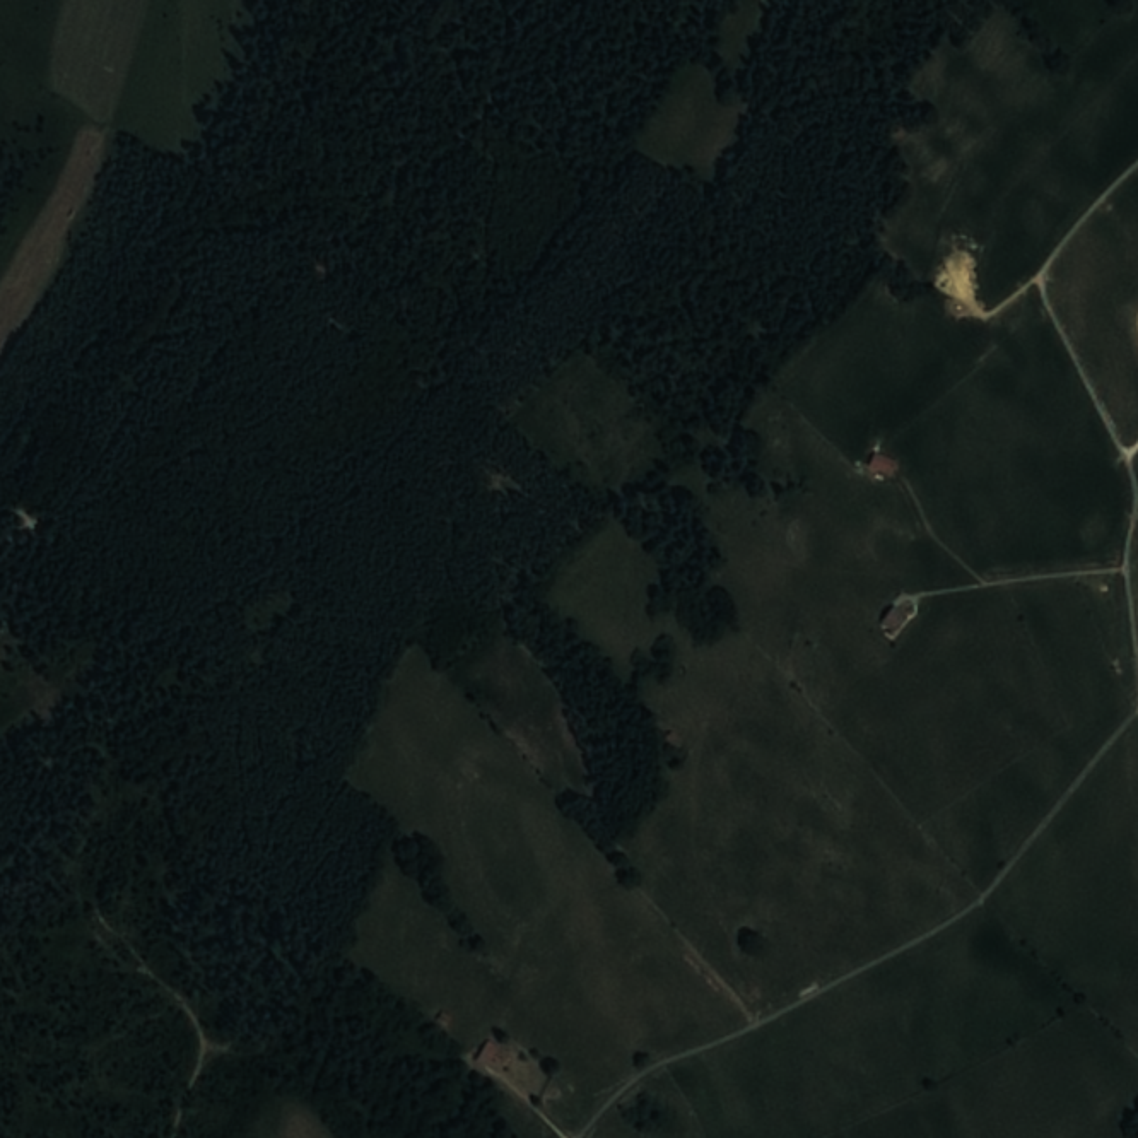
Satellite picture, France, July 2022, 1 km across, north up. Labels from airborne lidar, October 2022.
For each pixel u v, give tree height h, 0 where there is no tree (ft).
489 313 62
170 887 50
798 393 0
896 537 0
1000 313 0
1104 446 0
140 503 73
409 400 79
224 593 90
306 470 70
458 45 47
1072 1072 0
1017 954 0
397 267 48
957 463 0
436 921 0
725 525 0
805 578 0
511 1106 0
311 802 79
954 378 0
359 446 69
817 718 0
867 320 0
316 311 80
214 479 74
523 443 50
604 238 93
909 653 0
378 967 0
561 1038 0
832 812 0
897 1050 0
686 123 0
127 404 84
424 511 85
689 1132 0
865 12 75
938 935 0
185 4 0
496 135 40
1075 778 0
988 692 0
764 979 0
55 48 0
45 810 69
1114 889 0
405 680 0
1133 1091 0
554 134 74
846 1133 0
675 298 43
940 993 0
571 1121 0
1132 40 0
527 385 70
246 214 35
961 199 0
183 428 81
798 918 0
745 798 0
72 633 78
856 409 0
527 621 34
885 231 28
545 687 0
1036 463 0
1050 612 0
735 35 0
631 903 0
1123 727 0
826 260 75
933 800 0
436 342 75
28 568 66
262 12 104
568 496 76
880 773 0
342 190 55
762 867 0
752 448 91
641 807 23
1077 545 0
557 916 0
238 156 67
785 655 0
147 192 43
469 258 58
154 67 0
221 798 81
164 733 47
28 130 24
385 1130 51
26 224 0
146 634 79
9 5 0
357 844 73
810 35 39
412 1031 35
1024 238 0
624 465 0
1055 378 0
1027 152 0
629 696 50
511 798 0
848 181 81
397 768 0
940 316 0
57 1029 20
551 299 88
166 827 44
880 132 85
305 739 76
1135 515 0
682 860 0
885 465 0
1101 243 0
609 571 0
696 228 69
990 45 0
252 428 65
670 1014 0
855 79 82
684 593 25
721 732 0
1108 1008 0
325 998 66
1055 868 0
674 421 39
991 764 0
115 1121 25
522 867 0
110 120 0
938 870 0
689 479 0
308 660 82
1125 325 0
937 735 0
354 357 65
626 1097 0
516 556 73
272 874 76
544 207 34
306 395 74
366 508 82
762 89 58
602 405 0
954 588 0
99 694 56
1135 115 0
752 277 74
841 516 0
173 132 0
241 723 69
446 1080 47
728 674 0
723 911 0
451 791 0
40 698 0
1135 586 0
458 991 0
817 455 0
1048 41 42
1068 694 0
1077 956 0
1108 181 0
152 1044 38
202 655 67
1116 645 0
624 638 0
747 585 0
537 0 77
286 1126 0
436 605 32
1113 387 0
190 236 72
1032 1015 0
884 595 0
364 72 20
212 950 136
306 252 84
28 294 0
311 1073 55
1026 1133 0
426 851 74
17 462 38
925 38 68
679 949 0
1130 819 0
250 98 23
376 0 38
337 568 78
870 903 0
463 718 0
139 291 51
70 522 62
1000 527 0
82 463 63
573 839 0
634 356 23
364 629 81
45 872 138
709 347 80
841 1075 0
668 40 68
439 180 77
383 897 0
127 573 68
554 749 0
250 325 76
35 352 51
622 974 0
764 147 79
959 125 0
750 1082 0
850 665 0
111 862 19
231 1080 35
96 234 38
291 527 71
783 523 0
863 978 0
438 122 80
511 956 0
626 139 96
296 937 138
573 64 81
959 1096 0
